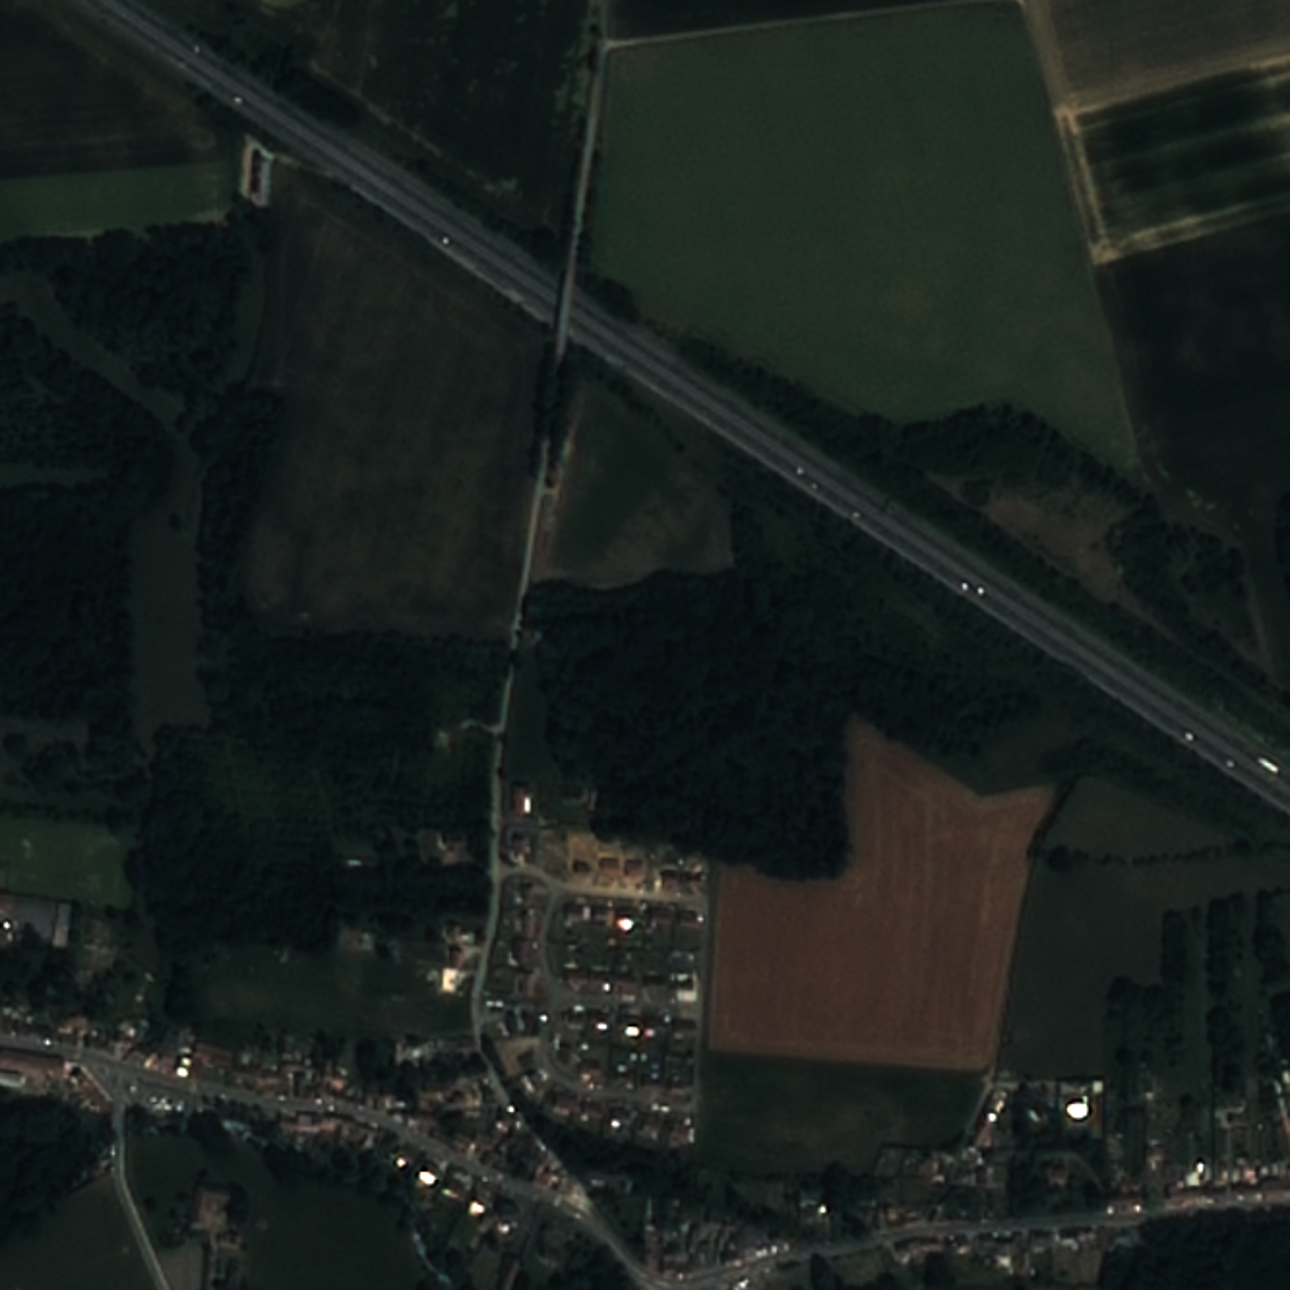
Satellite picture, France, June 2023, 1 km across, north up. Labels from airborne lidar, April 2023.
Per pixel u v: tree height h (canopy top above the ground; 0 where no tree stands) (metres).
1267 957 16
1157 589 10
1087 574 0
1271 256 0
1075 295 0
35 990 14
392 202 0
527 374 0
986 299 0
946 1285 19
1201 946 0
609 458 0
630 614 13
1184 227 0
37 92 0
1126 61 0
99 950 0
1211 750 0
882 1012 0
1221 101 0
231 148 0
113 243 17
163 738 11
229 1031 0
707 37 0
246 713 16
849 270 0
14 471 0
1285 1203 0
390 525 0
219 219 0
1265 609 0
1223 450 0
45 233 0
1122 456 0
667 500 0
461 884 7
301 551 0
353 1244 0
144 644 0
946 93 0
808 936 0
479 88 0
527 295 0
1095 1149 5
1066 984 0
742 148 0
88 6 0
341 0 0
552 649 20
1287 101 0
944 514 11
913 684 14
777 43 0
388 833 9
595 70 8
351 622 0
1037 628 0
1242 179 0
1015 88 0
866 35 0
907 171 0
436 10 0
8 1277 0
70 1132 20
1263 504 0
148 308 28
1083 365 0
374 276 0
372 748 12
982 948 0
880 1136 0
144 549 0
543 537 0
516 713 0
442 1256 9
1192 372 0
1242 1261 22
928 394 0
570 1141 20
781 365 0
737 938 0
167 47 0
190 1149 0
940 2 0
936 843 0
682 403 0
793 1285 0
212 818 11
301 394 0
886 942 0
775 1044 0
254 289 0
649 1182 16
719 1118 0
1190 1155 0
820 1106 0
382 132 0
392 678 7
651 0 0
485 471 0
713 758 26
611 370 9
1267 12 0
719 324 0
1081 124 0
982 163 0
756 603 18
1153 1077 0
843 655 13
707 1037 0
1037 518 0
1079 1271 0
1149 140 0
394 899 17
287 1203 0
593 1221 0
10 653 22
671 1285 0
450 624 0
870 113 0
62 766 20
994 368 0
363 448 0
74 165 0
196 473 0
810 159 0
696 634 24
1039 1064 0
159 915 18
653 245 0
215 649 17
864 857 0
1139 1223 0
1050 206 0
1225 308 0
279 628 0
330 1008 0
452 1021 0
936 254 0
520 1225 0
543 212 0
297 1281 0
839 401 0
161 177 0
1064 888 0
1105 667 0
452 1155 0
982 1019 0
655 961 0
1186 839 0
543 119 0
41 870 0
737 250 0
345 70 0
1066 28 0
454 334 0
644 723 10
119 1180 0
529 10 0
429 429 0
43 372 16
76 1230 0
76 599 20
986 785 0
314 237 0
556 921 0
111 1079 0
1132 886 0
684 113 0
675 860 0
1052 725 0
